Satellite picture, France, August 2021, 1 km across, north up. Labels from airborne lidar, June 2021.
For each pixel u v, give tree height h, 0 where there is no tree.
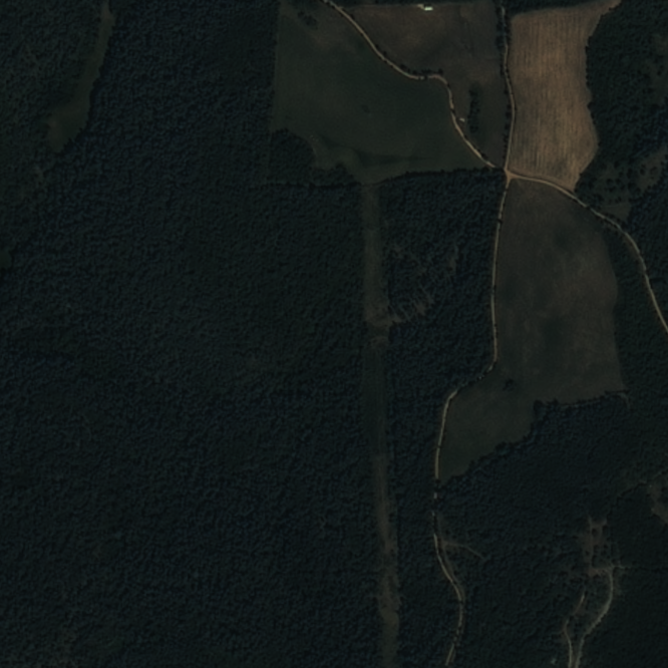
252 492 12
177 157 14
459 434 0
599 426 14
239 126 15
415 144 0
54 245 15
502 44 12
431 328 16
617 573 8
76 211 12
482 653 6
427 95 0
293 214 13
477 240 18
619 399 10
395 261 12
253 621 13
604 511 11
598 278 0
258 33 12
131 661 12
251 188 9
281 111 0
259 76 9
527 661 7
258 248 9
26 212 16
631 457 11
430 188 10
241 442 13
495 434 0
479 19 0
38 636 8
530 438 8
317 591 7
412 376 11
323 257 11
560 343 0
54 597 9
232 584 14
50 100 12
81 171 15
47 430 14
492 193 20
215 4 21
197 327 11
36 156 14
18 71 9
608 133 7
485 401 0
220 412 20
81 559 12
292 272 9
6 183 9
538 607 7
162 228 16
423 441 11
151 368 12
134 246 13
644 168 6
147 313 13
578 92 0
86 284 14
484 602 9
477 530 8
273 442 13
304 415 13
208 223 11
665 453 6
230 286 10
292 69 0
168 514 17
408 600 10
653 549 11
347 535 16
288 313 10
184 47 9
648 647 15
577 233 0
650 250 12
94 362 13
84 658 8
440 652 13
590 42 8
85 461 10
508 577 13
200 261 11
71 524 10
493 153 0
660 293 9
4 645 10
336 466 13
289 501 17
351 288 9
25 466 13
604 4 0
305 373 17
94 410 14
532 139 0
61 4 13
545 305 0
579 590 7
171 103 12
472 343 10
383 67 0
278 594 12
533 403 0
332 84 0
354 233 8
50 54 11
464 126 0
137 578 19
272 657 8
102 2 17
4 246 19
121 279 14
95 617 10
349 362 7
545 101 0
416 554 17
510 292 0
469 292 17
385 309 0
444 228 12
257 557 16
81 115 0
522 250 0
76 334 10
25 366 20
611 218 8
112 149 17
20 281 13
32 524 12
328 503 16
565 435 16
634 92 12
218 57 15
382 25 0
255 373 13
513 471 14
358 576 12
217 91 16
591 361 0
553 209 0
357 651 11
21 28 15
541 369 0
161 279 11
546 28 0
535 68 0
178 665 9
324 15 0
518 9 10
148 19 17
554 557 11
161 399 13
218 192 9
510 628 6
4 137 9
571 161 0
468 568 10
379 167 0
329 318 8
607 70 9
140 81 14
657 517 10
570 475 14
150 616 13
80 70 16
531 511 14
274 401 17
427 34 0
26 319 20
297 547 15
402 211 18
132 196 17
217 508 13
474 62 0
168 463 13
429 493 16
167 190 17
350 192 13
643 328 7
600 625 7
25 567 11
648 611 14
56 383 17
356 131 0
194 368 13
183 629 9
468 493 16
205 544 9
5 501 13
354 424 15
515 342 0
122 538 10
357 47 0
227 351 12
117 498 13
